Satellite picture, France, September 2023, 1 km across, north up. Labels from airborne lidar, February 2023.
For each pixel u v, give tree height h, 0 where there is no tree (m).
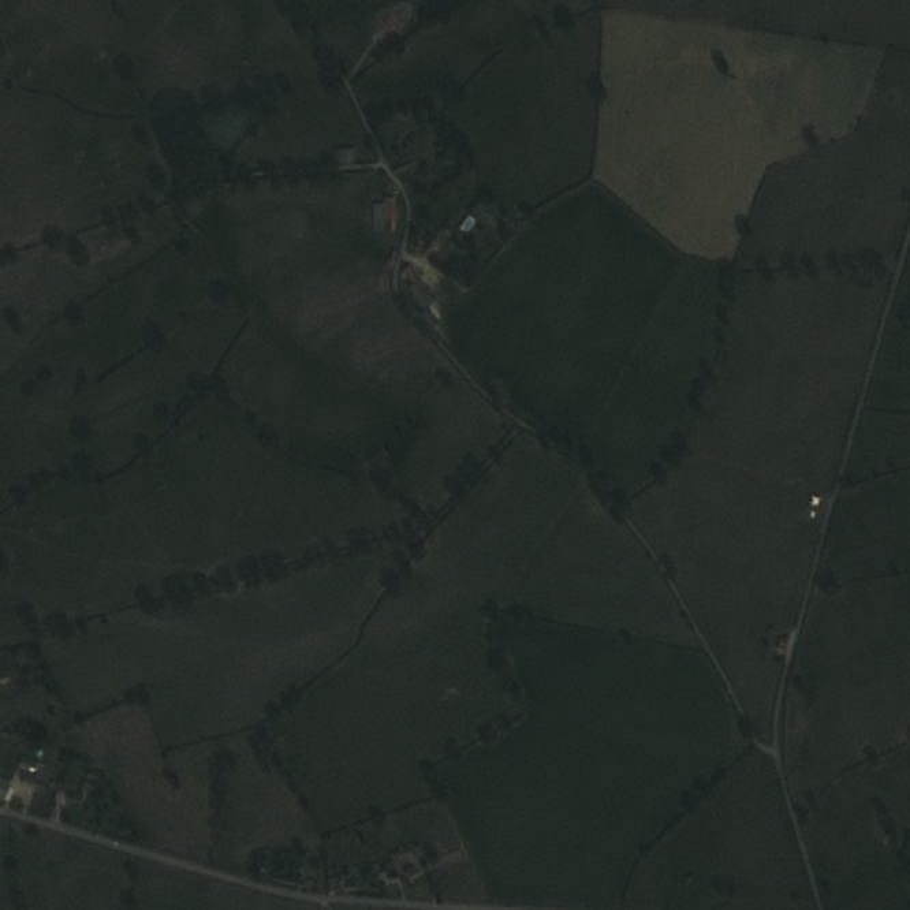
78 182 0
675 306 0
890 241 0
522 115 0
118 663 0
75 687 0
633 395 0
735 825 0
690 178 0
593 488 17
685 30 0
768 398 0
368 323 0
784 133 0
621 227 0
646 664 0
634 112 0
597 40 0
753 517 0
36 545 0
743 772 0
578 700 0
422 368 0
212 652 0
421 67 0
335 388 0
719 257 0
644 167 0
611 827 0
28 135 0
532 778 0
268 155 0
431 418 0
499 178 0
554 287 0
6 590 0
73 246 15
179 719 0
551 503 0
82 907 0
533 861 0
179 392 0
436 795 14
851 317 0
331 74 15
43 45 0
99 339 0
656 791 0
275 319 0
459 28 0
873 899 0
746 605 0
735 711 0
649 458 0
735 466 0
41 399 0
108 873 0
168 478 0
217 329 0
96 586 0
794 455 0
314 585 0
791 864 0
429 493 0
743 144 0
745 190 0
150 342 19
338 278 0
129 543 0
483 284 0
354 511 0
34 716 0
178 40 0
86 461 9
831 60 0
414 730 0
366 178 0
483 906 0
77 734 0
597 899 0
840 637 0
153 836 0
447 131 15
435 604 0
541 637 0
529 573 0
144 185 0
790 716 0
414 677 0
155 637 0
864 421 0
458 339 0
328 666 0
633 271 0
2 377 0
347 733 0
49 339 0
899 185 0
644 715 0
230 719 0
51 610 0
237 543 0
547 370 0
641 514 0
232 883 0
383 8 0
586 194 0
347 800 0
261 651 0
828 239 0
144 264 0
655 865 0
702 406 15
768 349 0
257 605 0
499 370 0
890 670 0
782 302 0
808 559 0
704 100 0
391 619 0
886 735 0
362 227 0
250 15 0
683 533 0
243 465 0
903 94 0
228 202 0
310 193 0
